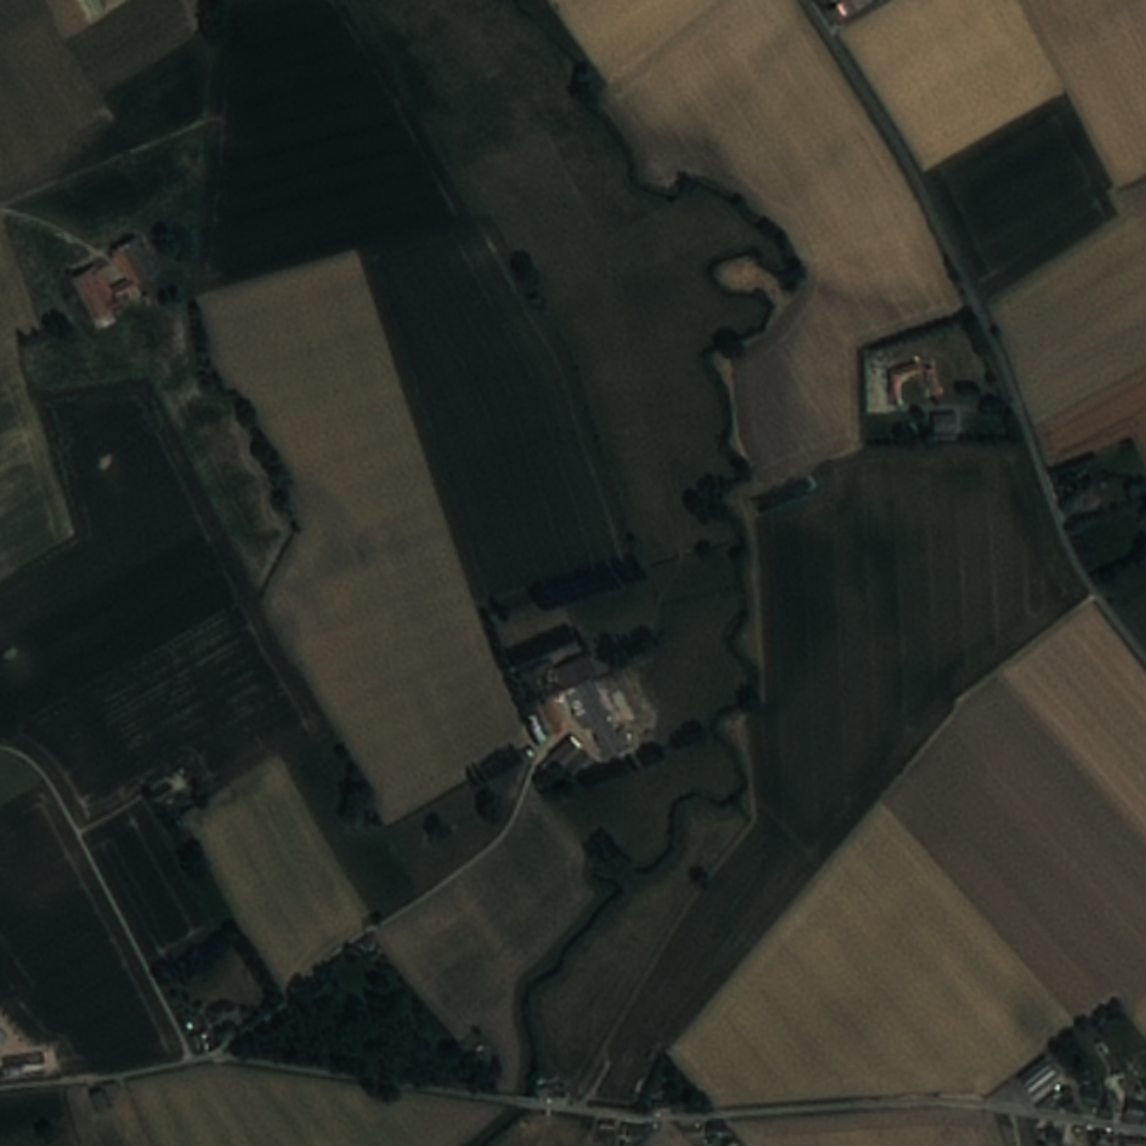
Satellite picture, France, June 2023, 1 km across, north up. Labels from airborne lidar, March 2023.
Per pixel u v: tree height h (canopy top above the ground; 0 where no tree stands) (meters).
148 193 0
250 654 0
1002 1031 0
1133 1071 0
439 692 0
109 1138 0
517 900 0
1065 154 0
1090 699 0
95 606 0
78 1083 0
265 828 0
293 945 0
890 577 0
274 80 0
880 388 0
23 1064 0
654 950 0
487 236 0
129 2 0
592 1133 0
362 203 0
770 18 0
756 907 0
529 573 0
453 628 0
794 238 0
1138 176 0
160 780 0
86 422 0
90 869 0
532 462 0
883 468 0
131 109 0
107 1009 0
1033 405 0
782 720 0
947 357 0
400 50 0
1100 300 0
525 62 0
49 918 0
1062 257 0
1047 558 0
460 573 0
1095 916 0
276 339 0
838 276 0
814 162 0
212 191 0
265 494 0
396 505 0
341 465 0
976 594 0
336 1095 0
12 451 0
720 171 0
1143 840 0
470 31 0
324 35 0
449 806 0
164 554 0
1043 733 0
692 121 0
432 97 0
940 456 0
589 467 0
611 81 0
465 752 0
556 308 0
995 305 0
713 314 0
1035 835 0
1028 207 0
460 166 0
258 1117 0
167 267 0
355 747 0
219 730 0
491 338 0
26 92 0
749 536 0
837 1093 0
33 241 0
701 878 16
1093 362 0
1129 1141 0
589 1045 0
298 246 0
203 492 0
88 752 0
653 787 0
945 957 0
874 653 0
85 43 0
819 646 0
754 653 0
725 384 0
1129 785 0
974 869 0
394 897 0
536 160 0
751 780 0
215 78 0
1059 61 0
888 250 0
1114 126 0
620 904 0
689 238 0
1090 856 0
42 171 0
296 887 0
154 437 0
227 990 0
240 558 0
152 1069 0
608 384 0
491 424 0
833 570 0
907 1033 0
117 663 0
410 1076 15
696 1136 0
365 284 0
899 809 0
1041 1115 0
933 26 0
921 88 0
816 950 0
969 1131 0
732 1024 0
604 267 0
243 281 0
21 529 0
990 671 0
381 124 0
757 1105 0
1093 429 0
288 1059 15
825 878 0
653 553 0
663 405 0
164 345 0
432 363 0
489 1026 0
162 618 0
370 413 0
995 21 0
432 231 0
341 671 0
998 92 0
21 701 0
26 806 0
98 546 0
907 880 0
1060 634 0
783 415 0
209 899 0
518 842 0
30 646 0
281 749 0
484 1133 0
